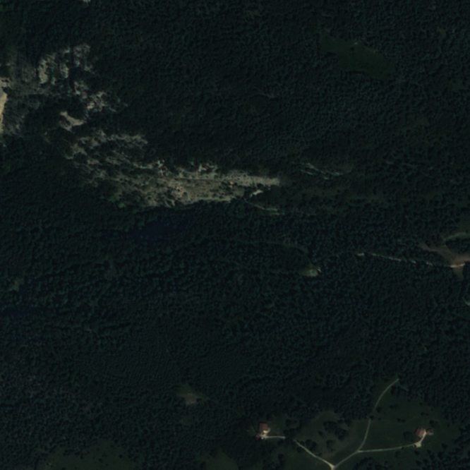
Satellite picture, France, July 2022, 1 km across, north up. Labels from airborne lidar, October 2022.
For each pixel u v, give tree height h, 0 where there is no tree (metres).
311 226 13
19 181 29
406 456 0
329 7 20
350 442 0
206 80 15
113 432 7
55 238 29
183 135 14
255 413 18
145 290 29
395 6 21
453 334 20
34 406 25
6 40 16
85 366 18
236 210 25
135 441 6
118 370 8
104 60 11
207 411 11
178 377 20
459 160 17
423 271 19
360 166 14
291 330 31
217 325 6
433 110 8
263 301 9
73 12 20
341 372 18
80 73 12
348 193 12
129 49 6
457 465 16
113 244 32
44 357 28
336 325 14
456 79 21
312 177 20
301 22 17
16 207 28
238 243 8
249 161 13
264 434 0
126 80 10
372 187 15
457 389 23
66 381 17
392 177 15
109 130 11
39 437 7
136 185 10
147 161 7
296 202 7
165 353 19
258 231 16
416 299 27
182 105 12
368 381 11
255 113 9
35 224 23
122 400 16
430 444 0
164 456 8
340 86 14
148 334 18
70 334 25
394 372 17
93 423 15
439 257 26
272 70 19
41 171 25
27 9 15
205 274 30
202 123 13
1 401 24
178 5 16
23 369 16
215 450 15
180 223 28
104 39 7
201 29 21
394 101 22
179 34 16
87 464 0
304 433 0
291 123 15
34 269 23
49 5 20
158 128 11
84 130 16
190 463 12
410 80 24
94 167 13
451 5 20
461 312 22
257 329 9
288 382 20
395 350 16
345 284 6
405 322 24
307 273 0
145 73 16
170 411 17
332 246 32
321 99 16
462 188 24
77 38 14
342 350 30
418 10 13
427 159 21
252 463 15
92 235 28
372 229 22
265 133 8
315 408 13
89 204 25
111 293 26
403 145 12
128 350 18
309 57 17
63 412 22
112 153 11
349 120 18
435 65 18
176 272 26
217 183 0
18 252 29
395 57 21
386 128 15
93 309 31
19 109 7
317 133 17
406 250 16
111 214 23
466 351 29
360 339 26
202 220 28
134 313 18
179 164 10
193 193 0
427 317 26
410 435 15
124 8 14
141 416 17
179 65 11
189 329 15
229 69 16
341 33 18
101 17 9
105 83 11
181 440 20
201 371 15
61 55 8
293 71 20
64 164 14
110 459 0
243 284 10
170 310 13
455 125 14
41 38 19
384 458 0
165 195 8
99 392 7
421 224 20
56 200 31
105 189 11
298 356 20
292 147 14
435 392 25
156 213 29
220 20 19
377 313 21
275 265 9
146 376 18
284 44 17
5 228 34
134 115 7
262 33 18
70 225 26
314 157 9
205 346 10
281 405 20
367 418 12
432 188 17
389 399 0
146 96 11
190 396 0
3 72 17
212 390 7
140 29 18
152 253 28
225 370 17
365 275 17
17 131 10
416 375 21
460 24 17
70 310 29
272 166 16
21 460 9
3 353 21
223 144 13
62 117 12
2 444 15
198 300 11
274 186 8
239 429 25
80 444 13
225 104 19
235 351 20
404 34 13
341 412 16
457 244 19
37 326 28
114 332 20
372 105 17
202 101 13
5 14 19
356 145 16
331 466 0
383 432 0
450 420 9
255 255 33
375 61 0
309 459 0
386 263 21
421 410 0
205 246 9
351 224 11
